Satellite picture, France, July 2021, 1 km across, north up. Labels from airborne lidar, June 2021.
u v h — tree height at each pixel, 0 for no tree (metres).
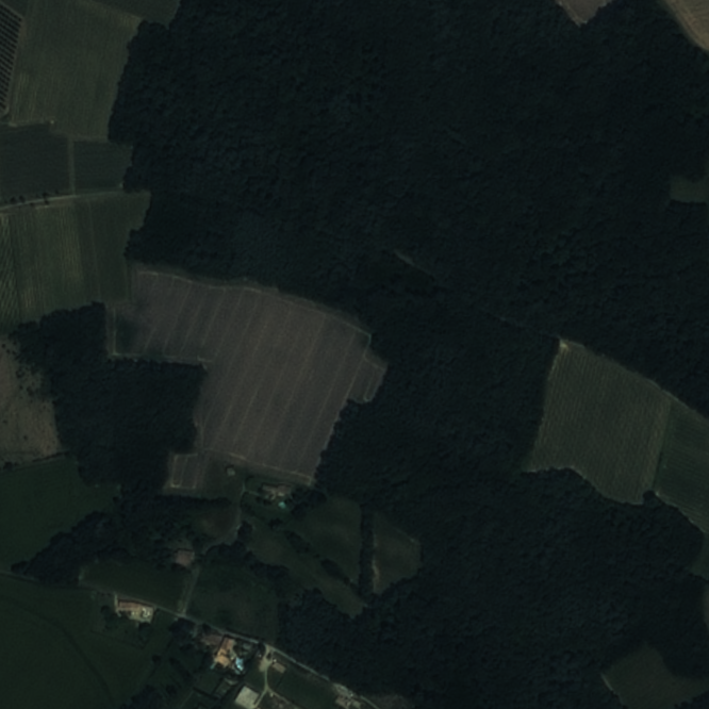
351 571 0
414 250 19
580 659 23
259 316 0
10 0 0
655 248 25
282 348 0
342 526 0
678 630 12
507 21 17
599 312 16
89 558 19
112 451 20
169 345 0
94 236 0
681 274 28
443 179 17
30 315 0
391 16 21
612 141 18
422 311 19
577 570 13
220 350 0
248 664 10
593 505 20
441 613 17
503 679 22
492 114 19
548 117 24
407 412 23
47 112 0
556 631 20
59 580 19
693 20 0
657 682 0
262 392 0
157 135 23
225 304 0
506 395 20
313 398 0
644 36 25
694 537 18
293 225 19
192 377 20
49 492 0
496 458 21
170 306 0
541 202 25
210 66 28
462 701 10
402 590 21
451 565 19
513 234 22
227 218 16
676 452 0
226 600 0
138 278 0
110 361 12
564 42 22
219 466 0
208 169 22
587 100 24
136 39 15
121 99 16
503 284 21
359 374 0
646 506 11
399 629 21
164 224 16
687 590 12
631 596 15
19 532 0
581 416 0
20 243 0
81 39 0
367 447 23
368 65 18
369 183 25
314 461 0
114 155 0
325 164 21
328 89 14
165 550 12
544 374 12
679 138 22
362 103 28
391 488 23
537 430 13
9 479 0
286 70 23
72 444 18
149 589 0
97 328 14
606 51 27
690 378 18
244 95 18
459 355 19
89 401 24
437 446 17
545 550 12
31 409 0
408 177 20
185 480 0
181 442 23
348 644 17
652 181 25
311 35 24
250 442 0
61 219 0
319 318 0
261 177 21
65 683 0
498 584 16
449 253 16
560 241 27
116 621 13
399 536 0
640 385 0
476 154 16
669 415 0
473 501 25
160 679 0
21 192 0
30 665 0
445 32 20
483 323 15
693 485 0
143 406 27
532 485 20
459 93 18
